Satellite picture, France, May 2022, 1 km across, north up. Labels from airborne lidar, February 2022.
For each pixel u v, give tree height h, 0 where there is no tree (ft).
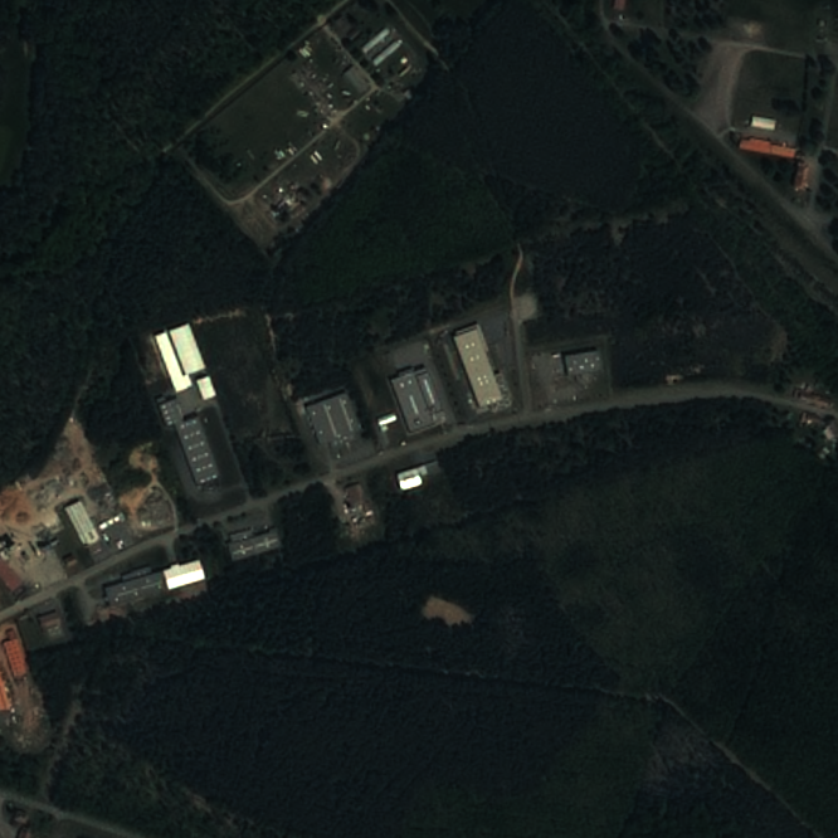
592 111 78
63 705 35
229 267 44
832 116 0
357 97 0
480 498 27
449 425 0
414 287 21
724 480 60
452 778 61
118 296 82
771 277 49
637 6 0
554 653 70
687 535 58
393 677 62
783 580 53
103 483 0
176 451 0
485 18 64
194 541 27
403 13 0
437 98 78
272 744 78
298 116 0
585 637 49
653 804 86
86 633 64
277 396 0
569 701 59
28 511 0
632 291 28
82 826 0
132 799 88
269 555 24
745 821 71
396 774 71
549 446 26
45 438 38
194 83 62
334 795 71
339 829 79
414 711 73
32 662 45
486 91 75
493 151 74
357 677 65
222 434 0
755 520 53
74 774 84
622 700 51
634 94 65
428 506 0
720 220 26
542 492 49
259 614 84
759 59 0
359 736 68
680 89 66
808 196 0
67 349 68
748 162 0
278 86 0
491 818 45
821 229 0
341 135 0
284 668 76
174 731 92
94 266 89
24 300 85
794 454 63
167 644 89
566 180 71
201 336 0
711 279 25
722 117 0
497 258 30
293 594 103
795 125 0
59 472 0
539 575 56
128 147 85
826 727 46
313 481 0
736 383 0
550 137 72
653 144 66
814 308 57
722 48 0
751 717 40
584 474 52
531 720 73
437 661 72
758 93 0
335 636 66
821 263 0
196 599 39
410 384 0
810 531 51
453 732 60
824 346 54
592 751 50
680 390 0
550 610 64
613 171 69
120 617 40
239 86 0
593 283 21
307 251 53
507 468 26
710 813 94
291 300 41
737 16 0
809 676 48
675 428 32
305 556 30
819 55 0
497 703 74
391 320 20
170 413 0
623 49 0
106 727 72
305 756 70
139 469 0
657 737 68
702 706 55
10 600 0
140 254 83
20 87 0
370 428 29
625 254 24
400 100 0
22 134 0
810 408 0
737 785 75
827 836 48
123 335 39
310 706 59
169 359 0
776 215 0
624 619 58
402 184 57
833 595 47
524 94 80
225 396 0
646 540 57
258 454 33
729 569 57
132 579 0
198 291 50
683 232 25
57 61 59
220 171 27
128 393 39
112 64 68
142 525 0
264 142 0
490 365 0
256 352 0
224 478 0
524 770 69
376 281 34
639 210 41
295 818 73
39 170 60
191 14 68
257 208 0
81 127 73
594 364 0
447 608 0
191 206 87
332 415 0
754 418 56
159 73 77
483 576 62
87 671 39
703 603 54
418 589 67
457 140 76
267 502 0
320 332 32
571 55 74
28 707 0
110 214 66
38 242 81
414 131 67
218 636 79
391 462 0
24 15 51
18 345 77
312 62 0
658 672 44
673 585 59
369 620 65
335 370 24
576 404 0
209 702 73
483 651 60
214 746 73
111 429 32
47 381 91
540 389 0
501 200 48
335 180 0
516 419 0
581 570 50
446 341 0
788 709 42
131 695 63
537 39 72
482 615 61
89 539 0
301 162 0
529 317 0
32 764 77
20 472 39
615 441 44
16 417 89
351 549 0
